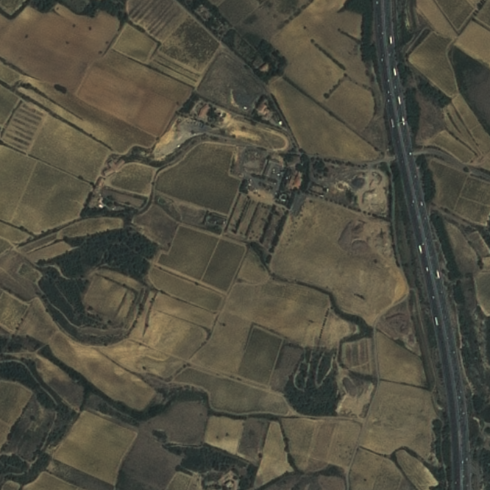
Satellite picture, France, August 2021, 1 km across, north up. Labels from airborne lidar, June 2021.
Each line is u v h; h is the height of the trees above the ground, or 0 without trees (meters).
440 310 0
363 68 0
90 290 0
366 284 0
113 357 0
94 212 9
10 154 0
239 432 0
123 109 0
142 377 0
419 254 0
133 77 0
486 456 8
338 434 0
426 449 0
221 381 0
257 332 0
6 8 0
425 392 0
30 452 0
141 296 0
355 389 0
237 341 0
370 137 0
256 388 0
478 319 0
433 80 0
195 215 0
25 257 0
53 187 0
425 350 0
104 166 0
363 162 0
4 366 7
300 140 0
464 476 0
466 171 6
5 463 7
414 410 0
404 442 0
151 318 0
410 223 0
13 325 0
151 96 0
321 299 0
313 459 0
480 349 0
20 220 0
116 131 0
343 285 0
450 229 0
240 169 0
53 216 0
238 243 0
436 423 10
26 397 0
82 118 0
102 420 0
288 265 0
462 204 0
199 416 0
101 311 0
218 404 0
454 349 0
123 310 0
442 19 0
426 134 0
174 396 6
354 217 0
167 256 0
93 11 7
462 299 9
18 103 0
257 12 0
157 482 0
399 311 0
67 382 0
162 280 0
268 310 0
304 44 0
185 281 0
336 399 7
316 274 0
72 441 0
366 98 0
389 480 0
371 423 0
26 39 0
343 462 0
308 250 0
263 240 13
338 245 0
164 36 0
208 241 0
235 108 0
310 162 9
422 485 0
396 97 0
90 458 0
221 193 0
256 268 0
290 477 0
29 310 0
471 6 0
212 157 0
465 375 0
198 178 0
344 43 0
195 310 0
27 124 0
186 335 0
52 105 0
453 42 0
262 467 0
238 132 0
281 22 0
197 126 0
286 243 0
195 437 0
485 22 0
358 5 15
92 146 0
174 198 0
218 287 0
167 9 0
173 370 0
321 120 0
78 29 0
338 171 0
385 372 0
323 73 0
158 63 0
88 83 0
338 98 0
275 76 11
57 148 0
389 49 0
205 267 0
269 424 0
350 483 0
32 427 0
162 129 0
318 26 0
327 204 0
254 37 0
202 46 0
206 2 14
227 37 7
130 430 0
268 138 0
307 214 0
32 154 0
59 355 0
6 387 0
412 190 0
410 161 0
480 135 0
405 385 0
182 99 0
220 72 0
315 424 0
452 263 10
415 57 0
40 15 0
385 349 0
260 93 0
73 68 0
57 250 0
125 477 0
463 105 0
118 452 0
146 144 0
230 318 0
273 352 0
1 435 0
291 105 0
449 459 9
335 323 0
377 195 0
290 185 0
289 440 8
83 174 0
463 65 0
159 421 0
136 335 0
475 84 0
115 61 0
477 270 0
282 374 0
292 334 0
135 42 0
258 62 0
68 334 0
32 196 0
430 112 0
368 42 12
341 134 0
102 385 0
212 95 0
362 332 0
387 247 0
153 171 0
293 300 0
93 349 0
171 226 0
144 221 0
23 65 0
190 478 0
